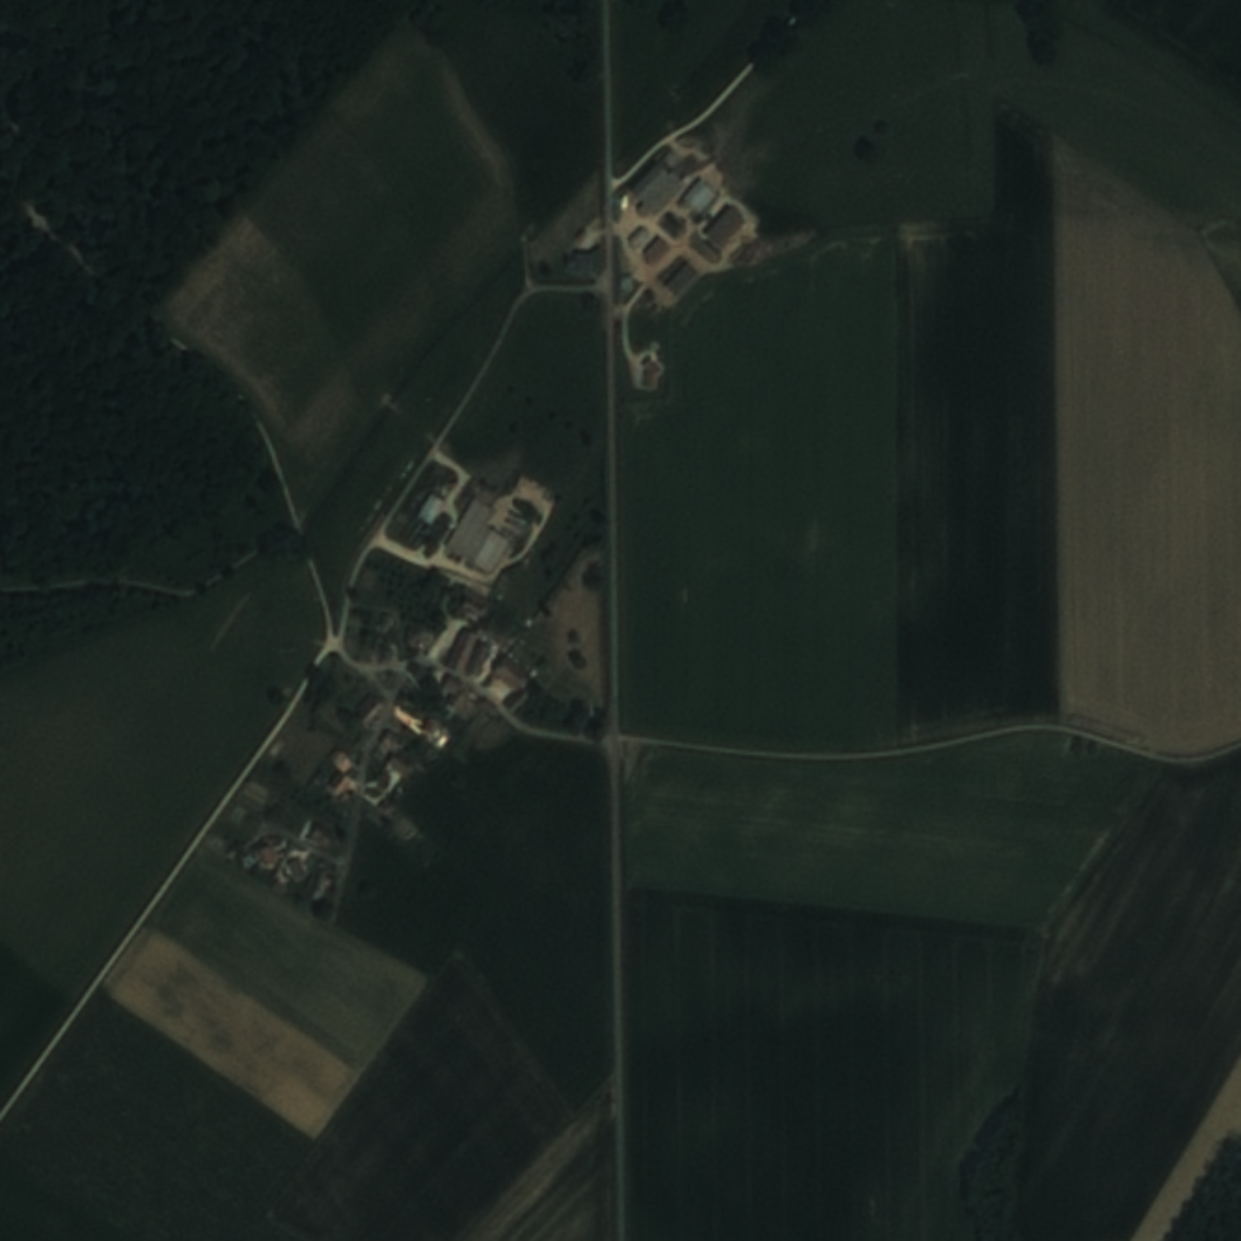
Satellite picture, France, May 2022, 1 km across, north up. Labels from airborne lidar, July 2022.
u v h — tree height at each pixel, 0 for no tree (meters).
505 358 0
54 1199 0
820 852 0
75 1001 0
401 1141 0
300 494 0
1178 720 0
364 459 0
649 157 0
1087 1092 0
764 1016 0
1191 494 0
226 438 24
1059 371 0
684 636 0
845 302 0
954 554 0
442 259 0
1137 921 0
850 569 0
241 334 0
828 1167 0
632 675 0
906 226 0
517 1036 0
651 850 0
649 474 0
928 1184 0
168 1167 0
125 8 29
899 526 0
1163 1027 0
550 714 6
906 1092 0
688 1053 0
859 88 0
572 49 7
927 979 0
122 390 29
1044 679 0
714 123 0
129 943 0
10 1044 0
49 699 0
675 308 0
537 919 0
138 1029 0
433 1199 0
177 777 0
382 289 0
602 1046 0
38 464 23
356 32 18
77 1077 0
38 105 31
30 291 25
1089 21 0
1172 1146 0
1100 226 0
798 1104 0
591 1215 0
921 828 0
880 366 0
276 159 16
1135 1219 0
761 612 0
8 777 0
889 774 0
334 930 0
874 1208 0
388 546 0
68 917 0
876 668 0
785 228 0
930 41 0
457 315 0
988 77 0
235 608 0
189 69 33
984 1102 0
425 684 11
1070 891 0
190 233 28
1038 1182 0
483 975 0
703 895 0
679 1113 0
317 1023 0
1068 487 0
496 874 0
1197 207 0
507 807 0
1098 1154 0
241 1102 0
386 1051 0
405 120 0
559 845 0
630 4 18
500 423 0
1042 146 0
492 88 0
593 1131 0
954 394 0
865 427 0
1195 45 0
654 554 0
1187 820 0
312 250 0
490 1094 0
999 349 0
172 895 0
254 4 25
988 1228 16
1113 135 0
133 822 0
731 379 0
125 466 31
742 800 0
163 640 0
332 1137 0
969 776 0
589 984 0
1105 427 0
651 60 0
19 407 29
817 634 0
